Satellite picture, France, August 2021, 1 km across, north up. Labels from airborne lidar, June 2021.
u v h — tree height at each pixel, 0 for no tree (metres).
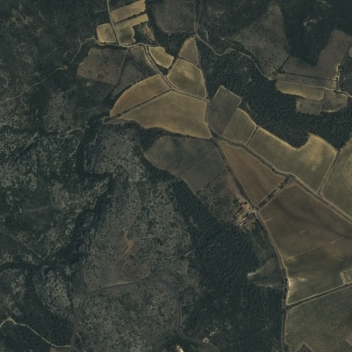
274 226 0
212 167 0
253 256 7
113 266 0
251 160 0
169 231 0
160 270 0
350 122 11
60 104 0
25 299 8
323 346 0
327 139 8
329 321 0
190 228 9
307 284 0
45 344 6
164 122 0
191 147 0
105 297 0
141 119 0
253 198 0
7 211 0
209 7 0
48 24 0
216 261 9
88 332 0
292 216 0
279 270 0
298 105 0
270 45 0
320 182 0
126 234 0
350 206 0
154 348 0
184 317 0
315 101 0
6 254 0
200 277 0
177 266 0
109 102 6
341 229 0
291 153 0
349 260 0
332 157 0
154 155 0
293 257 0
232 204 0
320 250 0
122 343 0
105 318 0
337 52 0
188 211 10
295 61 0
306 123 15
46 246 0
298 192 0
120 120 0
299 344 0
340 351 0
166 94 0
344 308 0
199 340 0
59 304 0
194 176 0
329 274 0
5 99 0
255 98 8
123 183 0
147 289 0
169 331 0
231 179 0
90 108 0
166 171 11
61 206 0
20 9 0
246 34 0
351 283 0
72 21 8
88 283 0
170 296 0
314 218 0
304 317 0
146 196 0
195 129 0
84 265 0
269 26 0
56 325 8
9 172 0
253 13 0
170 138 0
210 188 0
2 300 0
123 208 0
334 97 0
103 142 0
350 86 0
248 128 0
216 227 6
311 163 0
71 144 0
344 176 0
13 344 7
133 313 0
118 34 0
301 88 0
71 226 0
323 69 0
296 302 0
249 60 6
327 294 0
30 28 0
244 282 8
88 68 0
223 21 0
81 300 0
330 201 0
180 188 9
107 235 0
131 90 0
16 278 0
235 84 7
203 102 0
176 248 0
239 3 0
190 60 0
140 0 0
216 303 0
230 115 0
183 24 0
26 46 0
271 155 0
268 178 0
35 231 8
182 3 0
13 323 0
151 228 0
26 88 0
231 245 11
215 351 0
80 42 0
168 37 8
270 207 0
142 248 0
